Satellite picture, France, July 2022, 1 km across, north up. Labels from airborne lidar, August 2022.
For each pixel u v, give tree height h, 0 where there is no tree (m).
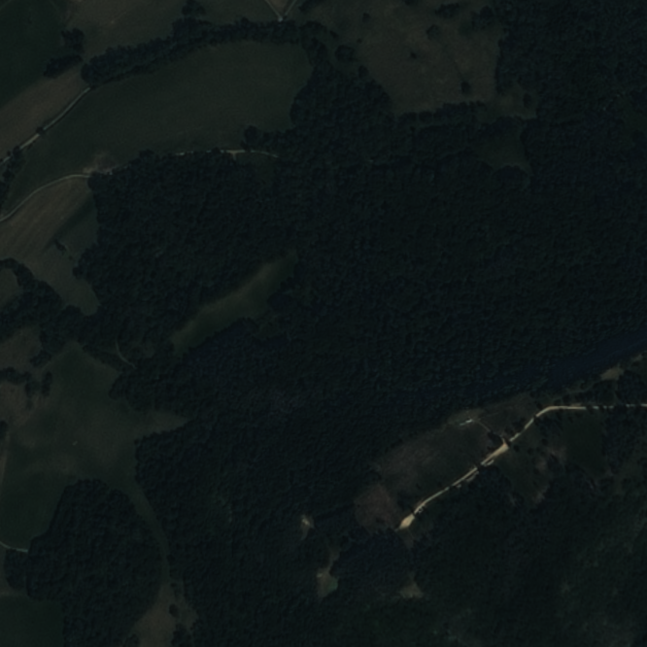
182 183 18
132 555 18
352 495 16
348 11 0
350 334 25
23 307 19
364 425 19
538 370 26
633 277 35
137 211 23
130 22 0
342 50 9
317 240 26
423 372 28
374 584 14
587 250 19
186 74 0
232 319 0
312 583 6
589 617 7
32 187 0
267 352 23
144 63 9
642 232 29
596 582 7
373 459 9
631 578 9
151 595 6
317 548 12
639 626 7
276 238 26
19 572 17
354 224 23
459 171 23
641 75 29
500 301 30
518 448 12
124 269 20
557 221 26
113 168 0
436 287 29
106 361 6
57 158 0
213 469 12
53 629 0
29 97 0
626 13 29
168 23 0
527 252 22
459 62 0
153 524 0
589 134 25
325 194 29
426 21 0
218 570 16
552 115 15
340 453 21
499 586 13
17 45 0
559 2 23
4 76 0
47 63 0
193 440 12
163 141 0
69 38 17
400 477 0
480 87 0
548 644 7
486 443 0
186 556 11
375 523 0
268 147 12
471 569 8
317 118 20
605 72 28
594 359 19
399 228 25
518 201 25
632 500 6
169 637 0
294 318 24
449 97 0
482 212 21
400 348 27
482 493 15
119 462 0
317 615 16
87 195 0
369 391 24
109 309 16
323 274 25
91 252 13
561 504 12
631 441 12
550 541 12
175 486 20
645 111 31
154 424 0
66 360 0
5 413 0
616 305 26
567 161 21
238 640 11
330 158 24
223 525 6
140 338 12
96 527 23
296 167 23
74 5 0
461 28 0
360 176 25
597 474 0
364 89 6
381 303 31
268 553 12
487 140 20
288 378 23
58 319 21
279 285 0
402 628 8
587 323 26
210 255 20
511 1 26
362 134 27
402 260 24
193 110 0
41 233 0
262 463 22
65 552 19
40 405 0
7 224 0
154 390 10
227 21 0
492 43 0
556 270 22
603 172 22
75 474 0
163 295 13
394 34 0
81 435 0
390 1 0
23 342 0
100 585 19
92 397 0
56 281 0
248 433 21
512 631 9
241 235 11
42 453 0
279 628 14
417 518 10
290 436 29
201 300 14
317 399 19
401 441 14
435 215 25
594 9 25
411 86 0
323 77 23
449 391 30
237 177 20
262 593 12
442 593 8
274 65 0
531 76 17
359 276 31
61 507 9
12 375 11
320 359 22
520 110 0
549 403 0
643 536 8
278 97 0
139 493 0
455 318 40
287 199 21
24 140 0
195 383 20
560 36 8
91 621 9
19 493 0
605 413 20
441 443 0
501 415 0
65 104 0
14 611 0
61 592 10
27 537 0
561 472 14
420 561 13
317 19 0
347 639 10
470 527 13
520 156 0
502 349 32
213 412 17
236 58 0
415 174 27
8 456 0
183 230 19
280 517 17
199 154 7
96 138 0
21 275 19
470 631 9
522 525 15
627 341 24
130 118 0
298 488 21
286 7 0
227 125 0
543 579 8
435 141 12
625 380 19
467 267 20
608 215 32
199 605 10
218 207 20
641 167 32
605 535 8
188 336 0
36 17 0
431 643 13
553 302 22
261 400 20
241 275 21
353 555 19
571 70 9
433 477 0
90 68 15
